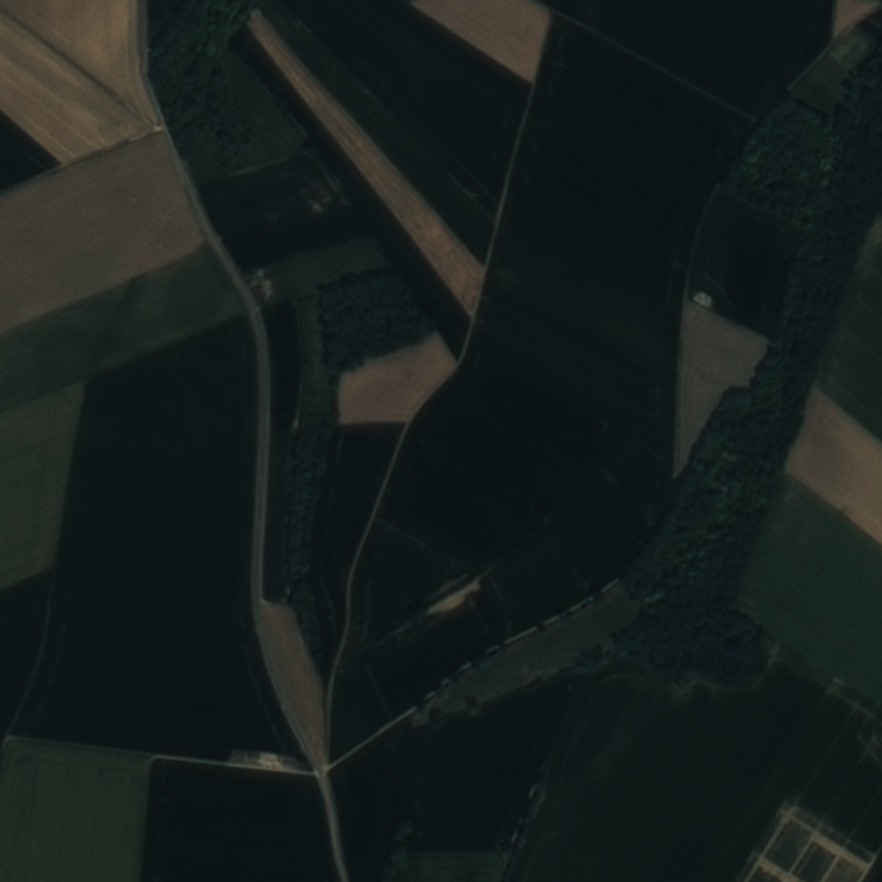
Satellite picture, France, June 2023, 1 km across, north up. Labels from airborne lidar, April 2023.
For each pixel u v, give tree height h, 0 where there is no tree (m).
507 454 0
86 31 0
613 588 0
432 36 0
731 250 0
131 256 0
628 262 0
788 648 0
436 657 0
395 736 0
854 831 0
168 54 16
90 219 0
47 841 0
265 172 0
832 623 0
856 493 0
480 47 0
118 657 0
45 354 0
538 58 0
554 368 0
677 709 0
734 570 15
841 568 0
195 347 0
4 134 0
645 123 0
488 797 0
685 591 22
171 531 0
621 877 0
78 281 0
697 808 0
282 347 0
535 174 0
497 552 0
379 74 0
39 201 0
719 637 22
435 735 0
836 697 0
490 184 0
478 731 0
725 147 0
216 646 0
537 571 0
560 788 0
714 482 8
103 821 0
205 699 0
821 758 0
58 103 0
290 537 7
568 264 0
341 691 0
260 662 0
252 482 0
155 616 0
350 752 0
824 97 0
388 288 21
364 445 0
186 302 0
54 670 0
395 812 0
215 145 6
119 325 0
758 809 0
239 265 0
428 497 0
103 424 0
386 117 0
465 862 0
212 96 19
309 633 6
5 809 0
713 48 0
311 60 0
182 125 13
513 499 0
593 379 0
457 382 0
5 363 0
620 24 0
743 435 20
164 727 0
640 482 0
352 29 0
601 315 0
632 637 19
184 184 0
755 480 6
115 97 0
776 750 0
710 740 0
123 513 0
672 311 0
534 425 0
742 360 0
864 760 0
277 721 0
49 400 0
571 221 0
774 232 0
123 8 0
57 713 0
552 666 0
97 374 0
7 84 0
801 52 0
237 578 0
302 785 0
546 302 0
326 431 12
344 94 0
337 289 16
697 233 0
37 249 0
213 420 0
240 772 0
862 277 0
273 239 0
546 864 0
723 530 10
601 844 0
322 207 0
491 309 0
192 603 0
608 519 0
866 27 0
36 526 0
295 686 0
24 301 0
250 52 0
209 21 17
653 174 0
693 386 0
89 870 0
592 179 0
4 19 0
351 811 0
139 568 0
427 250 0
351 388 0
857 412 0
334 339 19
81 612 0
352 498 0
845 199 20
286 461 0
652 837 0
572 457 0
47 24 0
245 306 0
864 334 0
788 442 11
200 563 0
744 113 0
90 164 0
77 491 0
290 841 0
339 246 0
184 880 0
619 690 0
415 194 0
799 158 14
